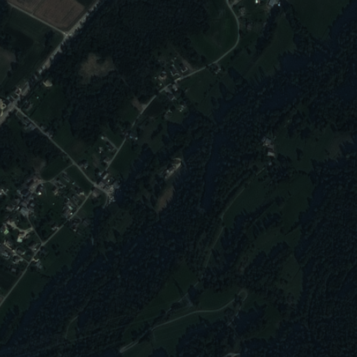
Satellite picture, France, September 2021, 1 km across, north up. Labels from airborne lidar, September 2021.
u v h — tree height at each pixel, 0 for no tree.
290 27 21
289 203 0
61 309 28
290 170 20
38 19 0
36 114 0
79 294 25
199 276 10
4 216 0
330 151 0
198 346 26
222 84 0
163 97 13
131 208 31
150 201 0
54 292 25
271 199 0
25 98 11
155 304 0
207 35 30
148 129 0
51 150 9
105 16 20
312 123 11
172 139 18
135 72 17
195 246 9
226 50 0
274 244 0
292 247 0
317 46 25
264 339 0
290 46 0
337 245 25
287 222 0
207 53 0
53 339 19
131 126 11
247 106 29
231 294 0
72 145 0
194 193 20
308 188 0
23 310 0
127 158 0
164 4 25
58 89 0
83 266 25
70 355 10
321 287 17
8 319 0
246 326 26
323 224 22
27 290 0
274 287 15
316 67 25
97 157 0
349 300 23
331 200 26
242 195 0
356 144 0
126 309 25
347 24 21
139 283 36
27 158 11
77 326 0
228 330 18
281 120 7
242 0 0
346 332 30
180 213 15
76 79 8
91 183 0
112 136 0
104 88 11
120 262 28
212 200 15
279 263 21
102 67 0
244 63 0
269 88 32
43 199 0
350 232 18
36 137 19
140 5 29
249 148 19
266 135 6
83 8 0
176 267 27
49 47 12
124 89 14
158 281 32
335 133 19
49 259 0
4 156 30
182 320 0
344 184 26
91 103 24
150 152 0
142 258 25
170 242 35
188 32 26
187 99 16
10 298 0
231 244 14
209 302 0
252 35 0
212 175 6
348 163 11
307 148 0
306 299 18
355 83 8
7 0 0
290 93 6
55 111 0
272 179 17
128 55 16
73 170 0
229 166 24
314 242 27
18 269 8
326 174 24
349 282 9
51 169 0
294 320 23
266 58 0
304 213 0
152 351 0
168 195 0
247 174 14
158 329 0
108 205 0
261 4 12
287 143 0
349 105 30
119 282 25
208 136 19
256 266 12
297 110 9
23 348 28
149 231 19
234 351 12
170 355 0
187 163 15
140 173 21
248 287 19
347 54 23
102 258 0
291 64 0
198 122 27
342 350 28
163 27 36
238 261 18
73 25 0
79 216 0
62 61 24
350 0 0
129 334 0
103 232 23
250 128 21
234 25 0
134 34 7
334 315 24
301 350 27
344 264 23
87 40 17
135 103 0
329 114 28
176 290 0
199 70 0
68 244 0
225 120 28
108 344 7
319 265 17
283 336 18
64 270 0
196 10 27
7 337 18
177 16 25
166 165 15
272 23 15
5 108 0
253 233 0
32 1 0
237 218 0
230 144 21
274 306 10
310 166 0
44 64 0
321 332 26
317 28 0
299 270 0
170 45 0
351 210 26
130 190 22
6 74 0
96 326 18
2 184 9
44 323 24
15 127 0
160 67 16
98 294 16
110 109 18
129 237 8
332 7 0
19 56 21
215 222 11
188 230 14
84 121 18
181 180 0
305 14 0
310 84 31
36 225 7
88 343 15
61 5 0
